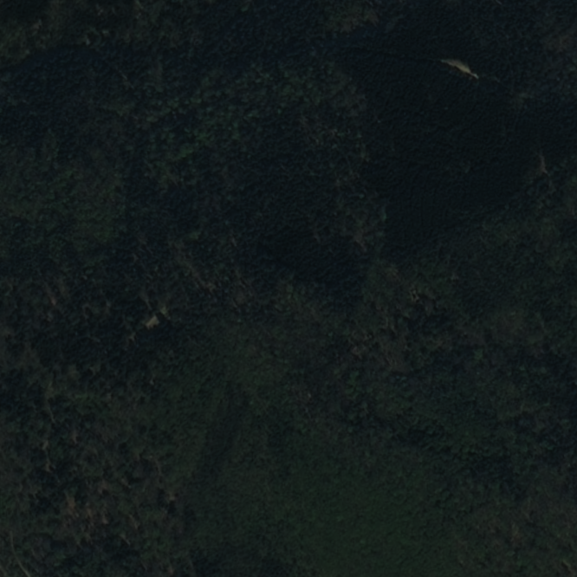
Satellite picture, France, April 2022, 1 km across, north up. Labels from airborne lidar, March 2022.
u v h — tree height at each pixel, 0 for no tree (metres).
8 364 26
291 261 17
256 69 31
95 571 27
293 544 16
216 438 18
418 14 22
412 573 22
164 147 31
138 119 35
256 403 17
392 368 35
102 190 28
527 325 30
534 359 27
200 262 32
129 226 26
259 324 29
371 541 23
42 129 34
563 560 25
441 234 15
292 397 23
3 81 29
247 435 15
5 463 33
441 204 19
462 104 22
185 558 21
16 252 19
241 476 14
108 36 7
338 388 29
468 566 24
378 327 28
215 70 35
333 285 30
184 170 31
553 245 24
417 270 26
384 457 26
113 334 24
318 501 20
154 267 31
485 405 26
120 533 22
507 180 18
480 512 27
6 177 29
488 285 23
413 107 20
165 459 23
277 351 28
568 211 31
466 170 15
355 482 23
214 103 29
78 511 10
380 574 25
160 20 16
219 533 14
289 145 27
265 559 9
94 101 30
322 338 31
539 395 23
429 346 19
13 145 28
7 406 19
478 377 31
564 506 27
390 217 20
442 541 23
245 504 15
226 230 34
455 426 24
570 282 21
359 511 22
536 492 27
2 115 32
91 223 28
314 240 19
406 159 15
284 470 17
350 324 27
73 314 29
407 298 32
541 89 29
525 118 20
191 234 34
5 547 15
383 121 23
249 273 30
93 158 32
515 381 24
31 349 8
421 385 24
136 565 27
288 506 20
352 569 22
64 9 17
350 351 34
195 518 24
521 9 29
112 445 8
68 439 20
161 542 27
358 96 26
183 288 28
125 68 32
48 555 29
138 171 36
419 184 24
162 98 34
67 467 21
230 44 34
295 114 28
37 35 10
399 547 23
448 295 25
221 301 29
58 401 6
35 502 26
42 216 28
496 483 27
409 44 23
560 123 27
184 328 19
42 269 22
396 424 19
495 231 20
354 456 21
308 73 30
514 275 24
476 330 31
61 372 15
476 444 9
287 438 15
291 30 26
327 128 28
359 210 24
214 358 19
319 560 24
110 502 32
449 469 27
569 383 26
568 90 25
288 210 32
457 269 21
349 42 27
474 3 27
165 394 22
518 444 30
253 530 16
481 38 21
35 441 24
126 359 24
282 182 30
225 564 18
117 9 16
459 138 22
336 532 20
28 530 21
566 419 29
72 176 28
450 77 23
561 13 26
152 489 24
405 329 28
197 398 20
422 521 24
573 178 27
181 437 11
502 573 27
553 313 22
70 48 34
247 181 33
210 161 29
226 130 28
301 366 30
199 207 32
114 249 24
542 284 20
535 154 15
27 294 26
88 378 42
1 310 27
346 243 22
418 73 20
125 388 30
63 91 31
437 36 21
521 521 28
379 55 23
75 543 33
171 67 31
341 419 26
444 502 23
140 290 30
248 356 23
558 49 22
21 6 18
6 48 23
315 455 21
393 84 22
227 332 23
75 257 24
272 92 29
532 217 28
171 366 19
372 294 26
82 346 35
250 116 32
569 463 33
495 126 18
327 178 30
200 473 16
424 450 27
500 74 29
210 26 35
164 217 31
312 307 28
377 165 16
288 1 30
